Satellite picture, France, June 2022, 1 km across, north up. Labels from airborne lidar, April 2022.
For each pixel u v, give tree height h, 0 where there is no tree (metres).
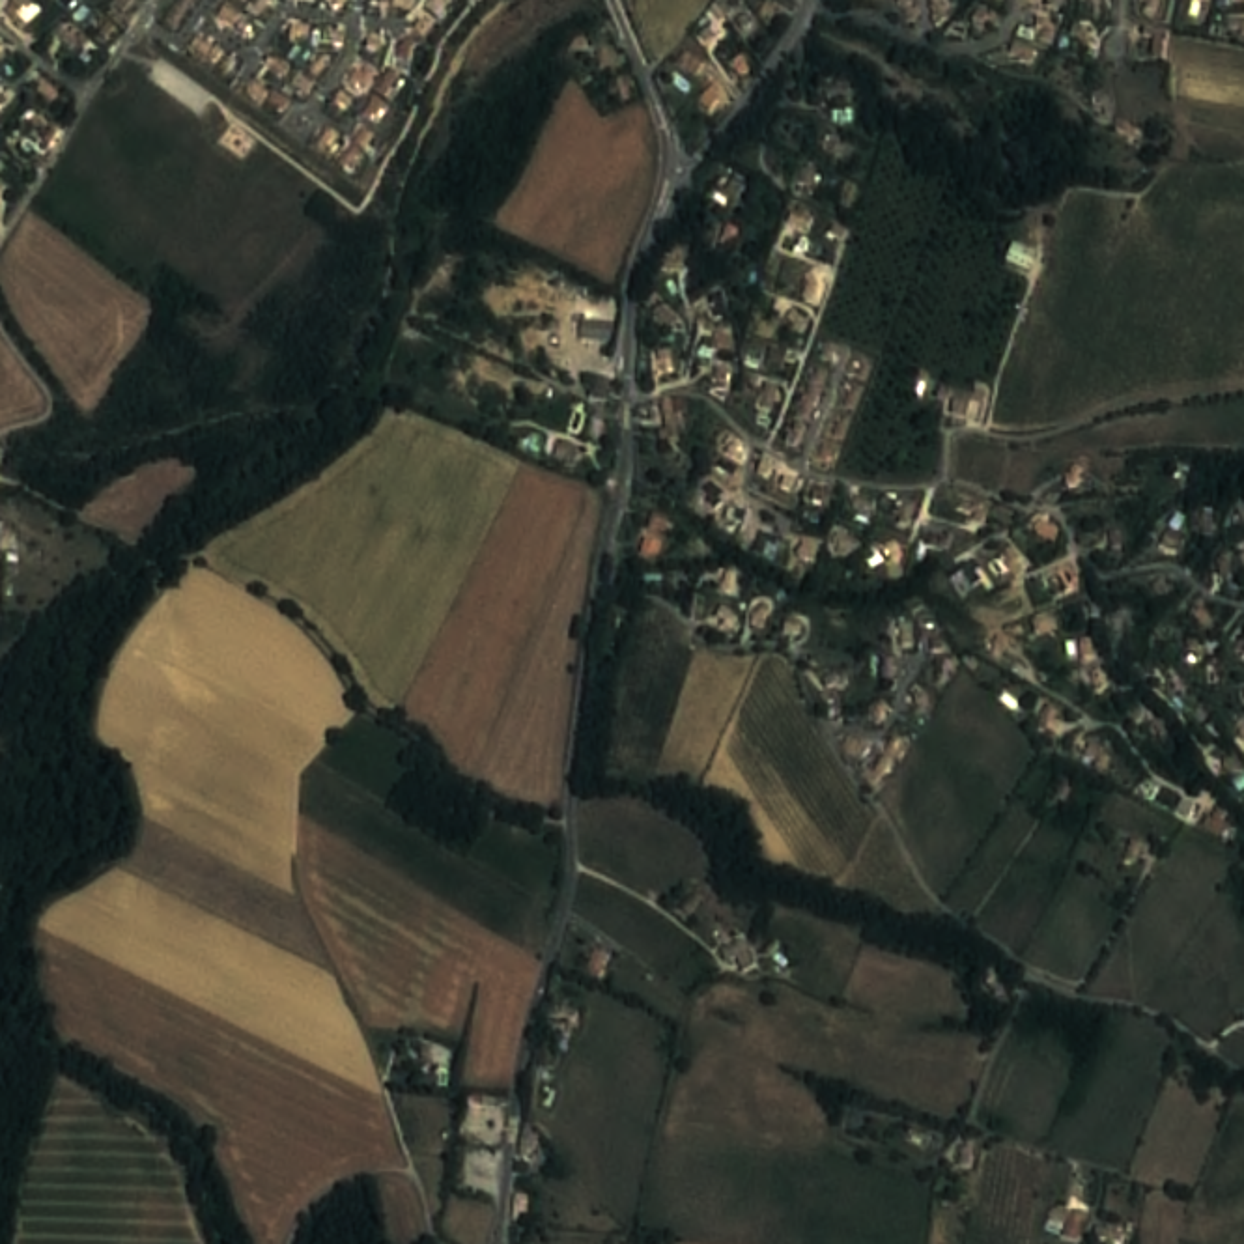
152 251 0
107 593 21
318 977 0
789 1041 0
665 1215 0
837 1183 0
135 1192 0
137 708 0
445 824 14
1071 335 0
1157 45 0
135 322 0
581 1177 0
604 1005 0
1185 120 0
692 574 14
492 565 0
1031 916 0
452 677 0
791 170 9
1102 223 0
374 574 0
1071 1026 10
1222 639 10
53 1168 0
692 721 0
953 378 11
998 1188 0
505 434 6
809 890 20
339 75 0
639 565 16
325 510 0
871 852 0
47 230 0
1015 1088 0
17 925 18
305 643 0
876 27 8
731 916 0
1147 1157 0
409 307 0
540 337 0
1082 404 0
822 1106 9
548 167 0
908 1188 0
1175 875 0
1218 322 0
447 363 14
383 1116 0
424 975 0
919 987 0
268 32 0
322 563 0
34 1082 18
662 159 0
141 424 10
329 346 11
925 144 16
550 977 7
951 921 13
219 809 0
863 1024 0
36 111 6
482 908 0
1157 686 10
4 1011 9
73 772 28
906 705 0
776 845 0
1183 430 0
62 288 0
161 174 0
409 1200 0
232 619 0
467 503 0
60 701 20
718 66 0
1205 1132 0
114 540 6
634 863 0
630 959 0
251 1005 0
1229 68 0
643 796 7
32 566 0
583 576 0
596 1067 0
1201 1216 0
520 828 11
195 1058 0
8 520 0
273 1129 0
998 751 0
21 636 9
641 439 9
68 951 0
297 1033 0
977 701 0
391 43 0
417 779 13
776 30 11
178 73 0
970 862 6
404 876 0
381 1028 0
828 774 0
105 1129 0
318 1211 14
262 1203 0
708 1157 0
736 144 11
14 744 11
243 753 0
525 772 0
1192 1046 9
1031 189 20
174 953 0
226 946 0
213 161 0
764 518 11
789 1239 0
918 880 0
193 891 0
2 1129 19
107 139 0
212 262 0
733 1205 0
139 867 0
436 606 0
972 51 0
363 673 0
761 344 0
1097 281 0
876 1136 6
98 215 0
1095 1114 0
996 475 0
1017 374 0
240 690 0
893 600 16
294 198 0
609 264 0
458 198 6
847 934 0
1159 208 0
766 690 0
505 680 0
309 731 0
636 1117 0
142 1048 0
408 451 0
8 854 11
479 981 0
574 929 0
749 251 14
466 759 0
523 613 0
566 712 0
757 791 0
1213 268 0
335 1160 0
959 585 0
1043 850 0
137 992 0
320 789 0
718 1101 0
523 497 0
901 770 0
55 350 0
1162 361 0
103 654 14
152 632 0
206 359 8
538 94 7
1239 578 12
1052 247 0
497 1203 0
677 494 14
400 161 11
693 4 0
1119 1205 0
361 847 0
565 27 7
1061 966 0
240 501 8
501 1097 7
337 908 0
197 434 12
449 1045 6
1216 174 0
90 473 12
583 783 18
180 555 20
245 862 0
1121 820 0
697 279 11
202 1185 17
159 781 0
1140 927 0
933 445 9
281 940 0
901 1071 0
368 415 8
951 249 8
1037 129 16
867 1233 0
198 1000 0
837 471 0
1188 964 0
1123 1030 0
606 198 0
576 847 0
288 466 8
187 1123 10
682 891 11
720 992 0
